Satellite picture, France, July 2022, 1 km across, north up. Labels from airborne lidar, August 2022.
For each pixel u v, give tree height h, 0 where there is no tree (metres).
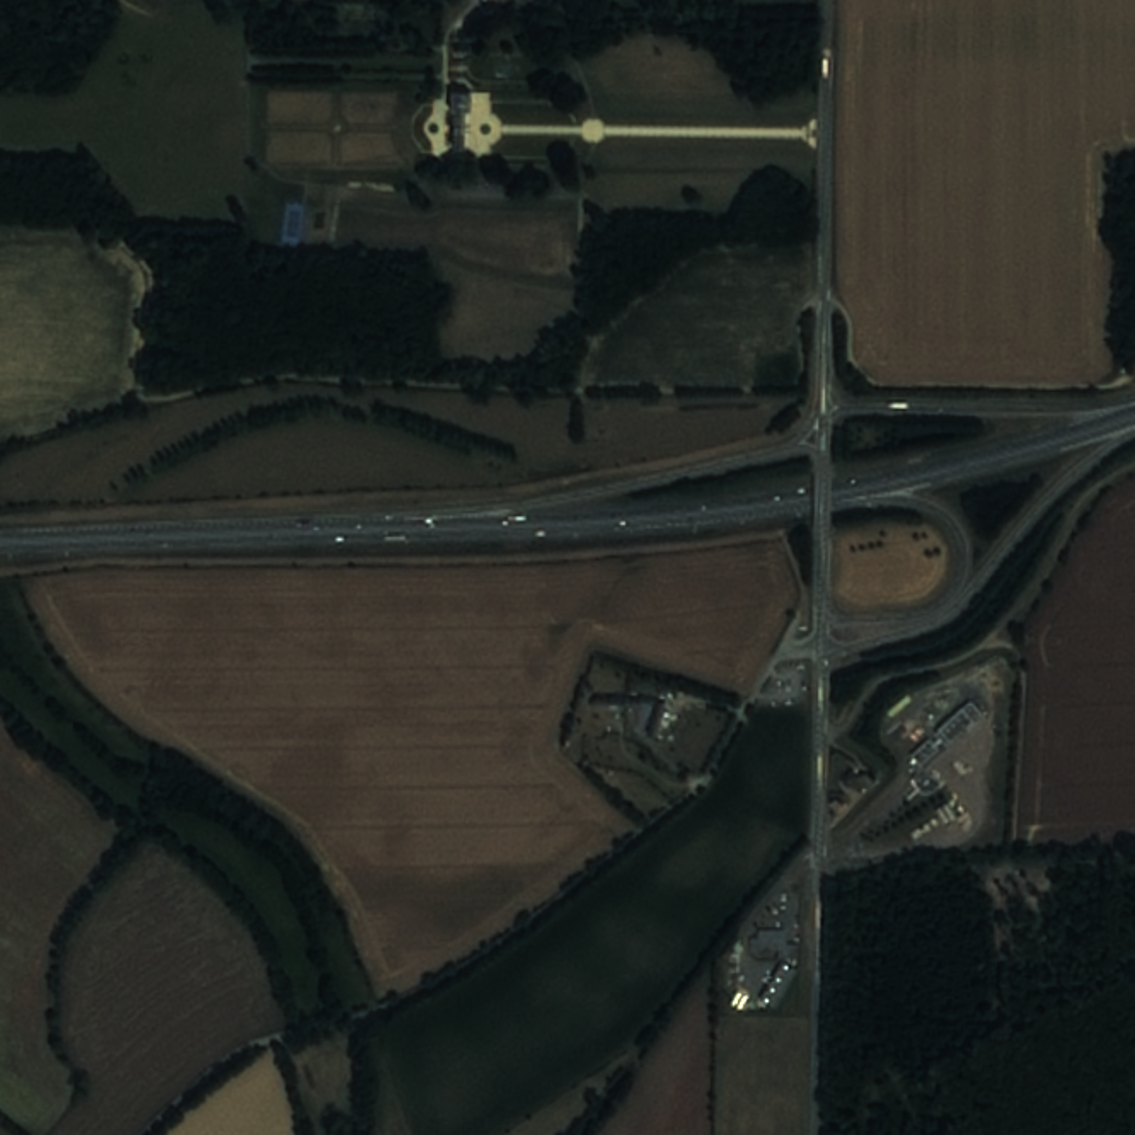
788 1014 0
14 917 0
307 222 0
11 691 0
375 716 0
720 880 0
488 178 16
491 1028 0
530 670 0
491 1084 0
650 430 0
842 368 7
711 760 6
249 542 0
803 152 0
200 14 0
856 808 0
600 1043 0
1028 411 0
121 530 0
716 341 0
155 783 11
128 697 0
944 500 0
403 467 0
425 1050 0
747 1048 0
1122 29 0
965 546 0
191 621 0
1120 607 0
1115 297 6
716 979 7
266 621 0
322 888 7
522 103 0
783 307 0
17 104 0
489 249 0
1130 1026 26
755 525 0
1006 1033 23
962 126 0
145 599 0
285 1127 0
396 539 0
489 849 0
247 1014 0
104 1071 0
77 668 0
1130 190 19
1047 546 6
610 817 0
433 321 19
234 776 0
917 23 0
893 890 8
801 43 26
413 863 0
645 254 19
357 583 0
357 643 0
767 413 0
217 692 0
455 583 0
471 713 0
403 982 0
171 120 0
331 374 13
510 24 15
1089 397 8
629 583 0
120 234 19
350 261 20
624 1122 0
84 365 0
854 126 0
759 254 0
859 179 0
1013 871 0
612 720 0
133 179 0
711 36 14
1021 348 0
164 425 0
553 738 0
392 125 0
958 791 0
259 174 19
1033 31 0
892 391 8
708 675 0
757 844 0
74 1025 0
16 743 14
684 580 0
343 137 0
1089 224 0
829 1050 17
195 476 0
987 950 11
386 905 0
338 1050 0
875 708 6
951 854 7
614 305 18
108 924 0
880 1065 15
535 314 0
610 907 0
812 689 0
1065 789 0
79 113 0
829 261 0
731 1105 0
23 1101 0
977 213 0
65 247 0
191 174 0
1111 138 0
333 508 0
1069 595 0
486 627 0
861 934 6
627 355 0
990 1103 25
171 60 0
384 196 0
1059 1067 25
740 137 0
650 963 0
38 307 0
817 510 0
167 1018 0
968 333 0
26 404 0
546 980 0
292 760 0
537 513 0
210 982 0
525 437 0
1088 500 0
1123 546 0
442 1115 0
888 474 0
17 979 0
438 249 0
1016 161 0
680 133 0
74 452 0
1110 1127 24
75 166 15
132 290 0
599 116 0
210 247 23
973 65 0
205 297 20
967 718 0
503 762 0
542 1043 0
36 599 0
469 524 0
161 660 0
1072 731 0
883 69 0
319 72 11
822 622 0
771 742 0
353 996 0
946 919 13
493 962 12
